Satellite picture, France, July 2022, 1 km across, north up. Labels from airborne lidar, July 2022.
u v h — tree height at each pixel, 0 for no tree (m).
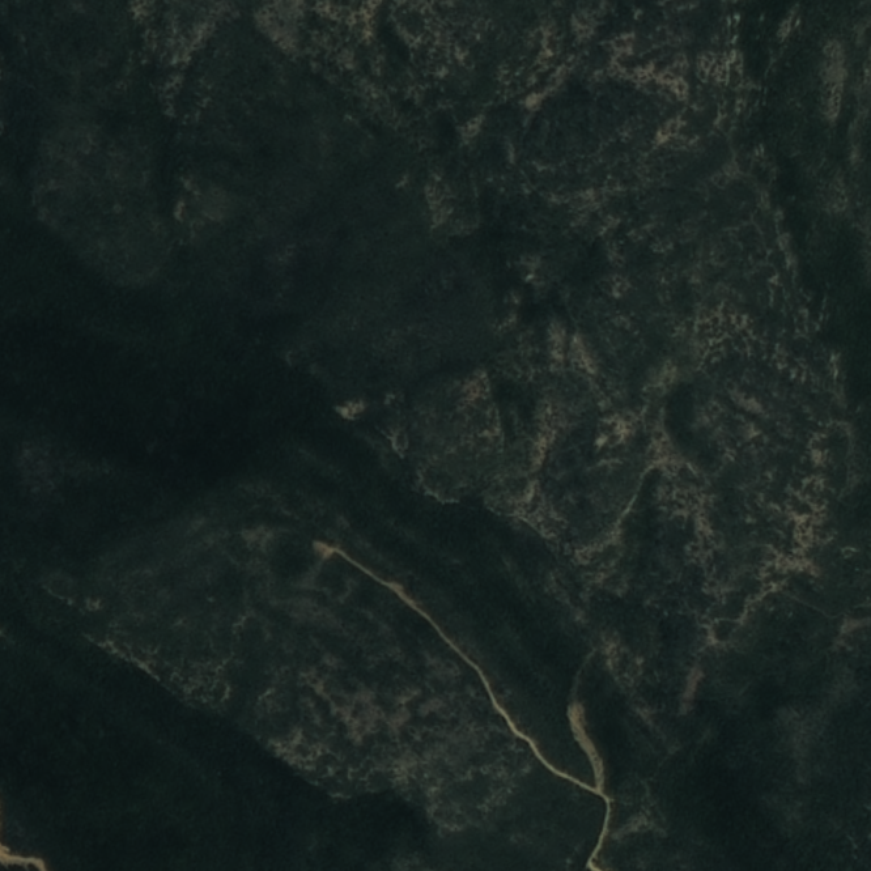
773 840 10
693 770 10
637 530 5
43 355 9
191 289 6
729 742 8
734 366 0
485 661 0
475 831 0
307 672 0
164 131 6
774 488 0
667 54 0
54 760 6
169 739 10
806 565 0
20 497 7
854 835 6
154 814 5
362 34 0
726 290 0
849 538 0
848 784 5
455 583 6
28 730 7
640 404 0
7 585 6
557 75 0
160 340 7
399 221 0
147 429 7
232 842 8
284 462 5
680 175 0
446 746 0
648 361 0
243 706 5
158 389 7
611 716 7
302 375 9
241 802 10
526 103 0
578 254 6
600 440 0
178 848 7
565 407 0
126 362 6
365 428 6
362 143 0
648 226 0
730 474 0
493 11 0
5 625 10
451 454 0
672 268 0
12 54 7
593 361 0
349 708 0
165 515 6
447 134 5
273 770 9
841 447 0
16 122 5
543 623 7
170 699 8
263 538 0
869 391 7
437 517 8
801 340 0
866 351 6
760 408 0
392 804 7
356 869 6
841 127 9
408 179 0
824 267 6
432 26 0
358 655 6
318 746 0
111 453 6
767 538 0
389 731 0
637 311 0
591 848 5
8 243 8
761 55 6
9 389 8
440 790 0
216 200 0
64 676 6
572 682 6
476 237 6
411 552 6
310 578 0
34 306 7
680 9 0
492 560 6
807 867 7
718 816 8
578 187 0
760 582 0
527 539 5
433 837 0
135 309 7
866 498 6
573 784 0
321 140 0
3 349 7
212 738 7
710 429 0
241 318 6
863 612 7
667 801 6
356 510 6
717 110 0
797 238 5
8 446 6
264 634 0
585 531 0
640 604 7
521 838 0
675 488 0
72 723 7
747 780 6
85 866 8
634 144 0
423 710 0
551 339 0
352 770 0
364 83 0
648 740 6
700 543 0
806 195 6
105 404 6
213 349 9
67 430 7
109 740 7
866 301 8
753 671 6
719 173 0
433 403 0
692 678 0
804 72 6
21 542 6
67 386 6
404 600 0
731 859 6
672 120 0
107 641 0
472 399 0
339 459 6
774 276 0
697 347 0
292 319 5
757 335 0
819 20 7
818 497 0
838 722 5
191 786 6
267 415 7
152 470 6
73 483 7
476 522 10
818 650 7
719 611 0
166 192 7
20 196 7
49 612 6
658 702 5
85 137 0
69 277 6
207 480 7
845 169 6
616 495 0
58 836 6
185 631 0
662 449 0
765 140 5
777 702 5
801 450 0
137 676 6
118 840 6
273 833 9
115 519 5
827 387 0
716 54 0
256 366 8
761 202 0
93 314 7
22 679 6
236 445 7
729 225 0
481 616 5
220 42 0
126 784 6
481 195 6
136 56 5
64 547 6
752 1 9
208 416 6
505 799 0
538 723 0
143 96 7
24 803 8
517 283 7
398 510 6
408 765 0
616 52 0
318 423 6
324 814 7
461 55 0
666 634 8
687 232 0
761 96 6
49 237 7
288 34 0
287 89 0
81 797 7
